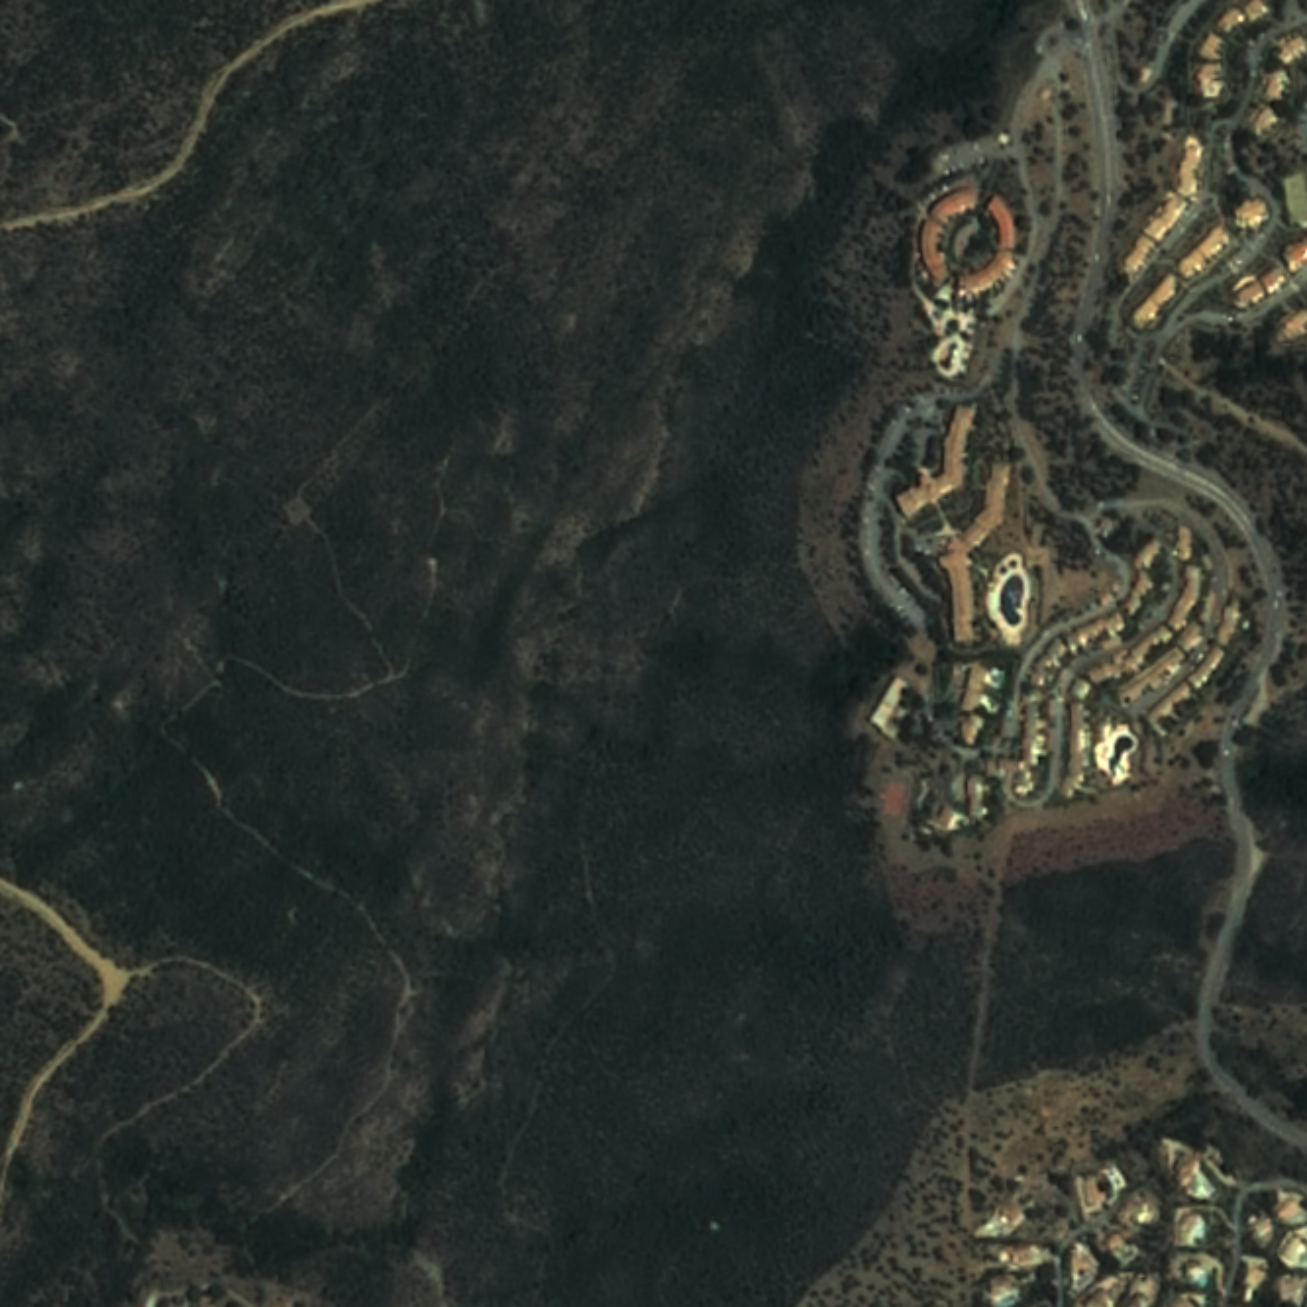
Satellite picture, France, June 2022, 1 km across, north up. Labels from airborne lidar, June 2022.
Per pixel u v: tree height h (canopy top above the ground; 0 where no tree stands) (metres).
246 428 7
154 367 7
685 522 0
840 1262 6
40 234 6
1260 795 9
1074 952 6
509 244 7
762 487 6
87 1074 7
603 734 8
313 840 10
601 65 5
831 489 0
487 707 0
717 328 0
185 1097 7
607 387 8
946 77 7
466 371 7
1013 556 0
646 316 7
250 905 7
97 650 9
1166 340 0
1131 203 8
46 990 7
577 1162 6
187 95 6
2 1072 8
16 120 8
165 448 7
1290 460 5
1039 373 10
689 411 0
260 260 8
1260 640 8
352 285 9
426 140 6
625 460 0
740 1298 8
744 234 0
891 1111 0
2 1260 8
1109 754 0
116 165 9
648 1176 9
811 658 0
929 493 0
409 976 0
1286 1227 6
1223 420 7
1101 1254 6
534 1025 0
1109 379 12
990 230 8
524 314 6
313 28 7
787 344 8
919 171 8
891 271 6
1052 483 7
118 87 6
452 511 0
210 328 7
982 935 6
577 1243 6
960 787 0
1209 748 11
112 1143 8
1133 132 8
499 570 0
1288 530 6
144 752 6
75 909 6
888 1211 0
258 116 9
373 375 6
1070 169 8
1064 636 6
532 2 7
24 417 8
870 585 7
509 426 0
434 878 0
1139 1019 6
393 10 6
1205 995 0
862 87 8
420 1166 7
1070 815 0
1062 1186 10
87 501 6
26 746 7
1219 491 0
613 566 0
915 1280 6
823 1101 6
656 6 5
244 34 9
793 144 0
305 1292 0
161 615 6
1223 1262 6
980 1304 7
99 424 8
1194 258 0
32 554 0
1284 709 9
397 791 6
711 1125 7
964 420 0
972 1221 0
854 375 6
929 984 0
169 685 0
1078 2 0
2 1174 0
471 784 0
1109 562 0
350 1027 6
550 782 0
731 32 7
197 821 9
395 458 6
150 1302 0
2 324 0
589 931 7
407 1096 0
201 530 11
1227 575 0
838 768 7
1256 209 0
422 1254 0
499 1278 0
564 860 7
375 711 0
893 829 0
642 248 7
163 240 8
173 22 7
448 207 6
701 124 6
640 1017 0
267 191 9
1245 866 0
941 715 7
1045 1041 7
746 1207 7
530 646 0
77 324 7
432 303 8
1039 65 0
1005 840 0
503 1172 6
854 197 6
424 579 0
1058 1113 0
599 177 7
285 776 6
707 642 8
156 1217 6
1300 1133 0
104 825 6
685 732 0
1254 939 8
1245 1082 5
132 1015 6
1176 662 0
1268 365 6
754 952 5
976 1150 6
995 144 0
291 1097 0
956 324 6
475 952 6
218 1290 11
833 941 6
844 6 5
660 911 6
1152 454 0
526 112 5
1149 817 0
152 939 7
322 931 9
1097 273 0
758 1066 0
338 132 8
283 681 6
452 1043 0
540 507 0
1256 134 7
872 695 8
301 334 7
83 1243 8
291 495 6
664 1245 7
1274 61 7
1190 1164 0
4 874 6
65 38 7
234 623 6
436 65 9
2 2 7
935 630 8
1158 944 6
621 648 0
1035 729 0
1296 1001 0
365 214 13
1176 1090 0
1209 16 12
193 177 8
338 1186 0
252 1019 6
